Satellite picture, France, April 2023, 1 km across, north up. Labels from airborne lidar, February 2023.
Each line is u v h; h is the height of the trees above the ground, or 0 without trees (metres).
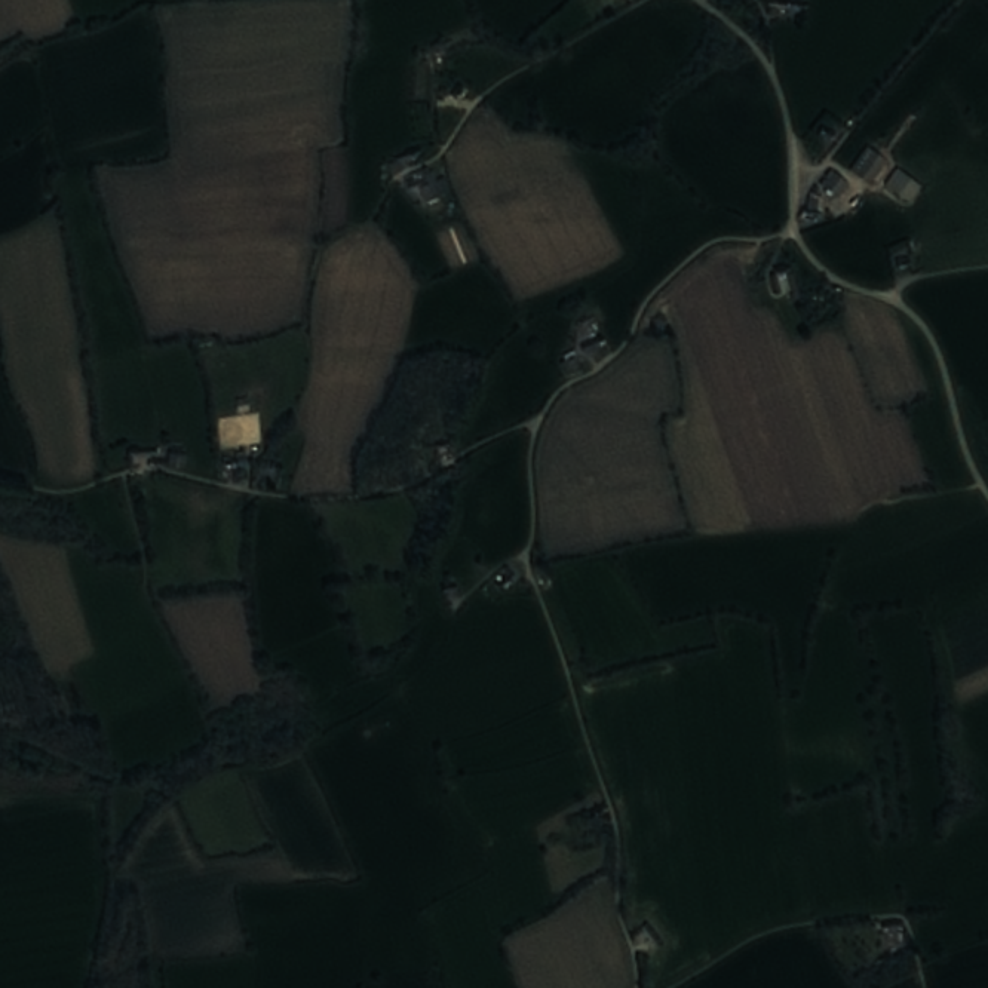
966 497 0
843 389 0
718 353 0
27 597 0
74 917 0
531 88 0
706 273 0
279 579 0
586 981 0
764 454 0
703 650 6
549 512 0
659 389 0
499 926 0
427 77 0
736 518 0
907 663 0
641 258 0
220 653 0
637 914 0
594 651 0
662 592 0
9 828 0
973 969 0
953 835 0
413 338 0
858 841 0
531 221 0
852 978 9
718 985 0
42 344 0
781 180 0
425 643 0
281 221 0
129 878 0
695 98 0
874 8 0
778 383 0
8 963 0
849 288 0
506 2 0
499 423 0
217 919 0
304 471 0
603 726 0
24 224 0
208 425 8
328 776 0
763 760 0
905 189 0
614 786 0
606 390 0
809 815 0
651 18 0
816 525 0
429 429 11
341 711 0
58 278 0
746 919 0
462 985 0
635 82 0
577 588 0
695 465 0
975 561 0
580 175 0
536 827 0
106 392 0
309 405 0
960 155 0
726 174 0
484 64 0
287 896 0
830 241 0
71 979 0
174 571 0
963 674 0
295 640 0
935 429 0
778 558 0
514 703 0
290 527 0
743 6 12
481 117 0
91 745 18
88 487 0
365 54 0
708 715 0
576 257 0
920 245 0
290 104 0
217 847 0
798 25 10
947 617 0
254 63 0
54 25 0
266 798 0
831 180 0
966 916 0
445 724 0
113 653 0
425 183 0
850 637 0
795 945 0
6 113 0
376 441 14
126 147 0
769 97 0
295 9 0
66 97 0
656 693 0
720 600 0
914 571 0
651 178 0
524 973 0
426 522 13
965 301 0
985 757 0
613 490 0
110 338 0
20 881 0
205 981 0
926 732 0
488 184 0
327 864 0
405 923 0
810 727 0
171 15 0
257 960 0
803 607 0
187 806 0
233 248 0
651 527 0
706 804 0
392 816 0
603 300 0
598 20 8
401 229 0
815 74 0
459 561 0
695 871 0
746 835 0
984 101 0
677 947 0
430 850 0
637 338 10
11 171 0
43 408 0
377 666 12
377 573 10
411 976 0
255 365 0
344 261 0
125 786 12
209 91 0
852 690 0
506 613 0
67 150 0
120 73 0
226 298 0
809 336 10
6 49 6
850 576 0
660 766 0
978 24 0
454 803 0
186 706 0
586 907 0
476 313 0
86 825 0
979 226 0
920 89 0
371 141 0
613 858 15
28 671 14
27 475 0
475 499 0
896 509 0
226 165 0
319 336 0
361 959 0
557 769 0
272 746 18
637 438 0
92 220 0
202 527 0
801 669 7
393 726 0
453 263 0
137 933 11
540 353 9
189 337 10
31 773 15
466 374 13
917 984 0
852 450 0
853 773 0
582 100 0
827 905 0
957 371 0
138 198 0
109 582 0
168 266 0
